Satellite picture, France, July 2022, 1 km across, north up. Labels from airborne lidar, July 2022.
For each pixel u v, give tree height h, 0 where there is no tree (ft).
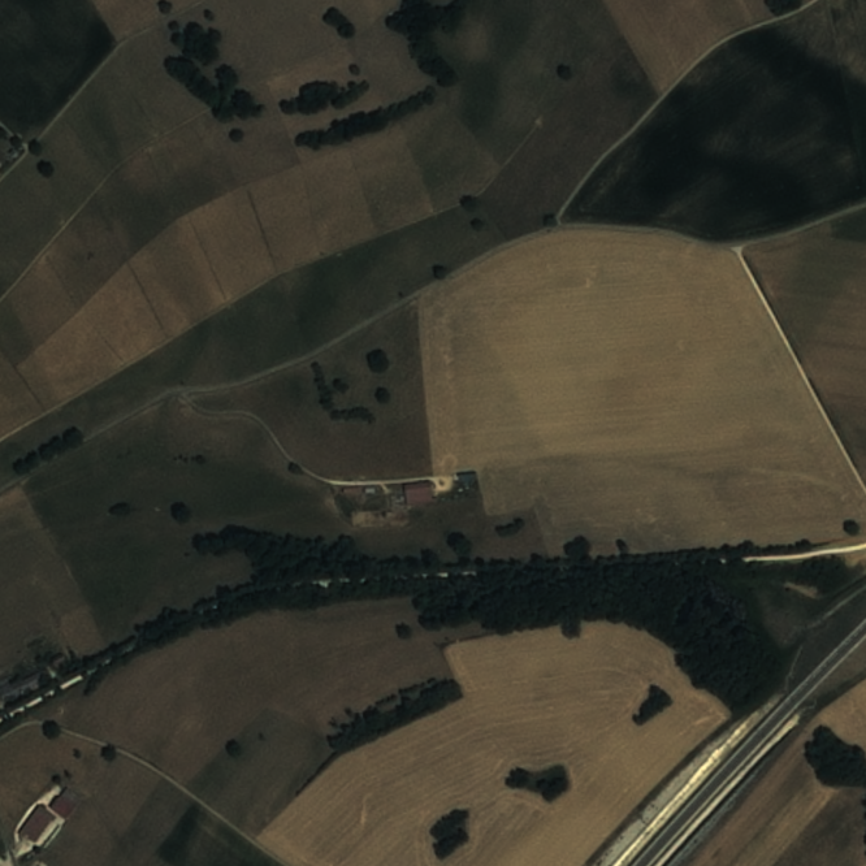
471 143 0
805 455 0
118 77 0
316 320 0
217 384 0
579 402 0
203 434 0
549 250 0
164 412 0
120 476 0
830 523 0
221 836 0
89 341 0
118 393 0
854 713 0
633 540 0
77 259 0
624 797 0
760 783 0
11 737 0
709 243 0
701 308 0
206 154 0
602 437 0
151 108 0
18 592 0
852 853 0
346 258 0
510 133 0
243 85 0
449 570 34
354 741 36
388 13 0
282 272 0
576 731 0
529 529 0
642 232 0
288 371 0
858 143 0
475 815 0
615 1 0
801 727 0
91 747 0
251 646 0
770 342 0
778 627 0
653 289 0
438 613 26
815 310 0
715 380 0
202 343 0
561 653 0
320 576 76
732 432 0
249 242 0
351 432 0
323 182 0
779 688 0
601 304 0
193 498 0
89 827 0
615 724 0
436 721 0
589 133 0
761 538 0
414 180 0
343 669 0
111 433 0
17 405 0
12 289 0
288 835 0
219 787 0
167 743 0
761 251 0
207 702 0
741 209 0
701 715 0
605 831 0
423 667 0
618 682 0
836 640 0
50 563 0
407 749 0
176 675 0
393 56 0
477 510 0
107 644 0
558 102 0
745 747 0
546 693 0
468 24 0
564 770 0
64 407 0
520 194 0
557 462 0
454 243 0
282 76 0
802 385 0
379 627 0
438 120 0
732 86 0
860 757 58
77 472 0
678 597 79
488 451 0
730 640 73
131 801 0
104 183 0
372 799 0
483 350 0
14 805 0
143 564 0
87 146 0
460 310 0
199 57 51
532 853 0
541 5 0
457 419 0
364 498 0
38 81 0
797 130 0
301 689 0
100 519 0
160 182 0
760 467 0
